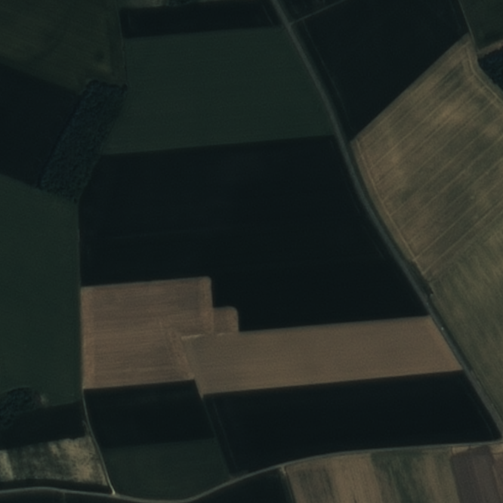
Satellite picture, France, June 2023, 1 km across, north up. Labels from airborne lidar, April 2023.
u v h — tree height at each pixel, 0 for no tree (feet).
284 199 0
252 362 0
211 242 0
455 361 0
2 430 0
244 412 0
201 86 0
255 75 0
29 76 0
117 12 0
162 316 0
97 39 0
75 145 62
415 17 0
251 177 0
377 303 0
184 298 0
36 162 0
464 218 0
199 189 0
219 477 0
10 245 0
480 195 0
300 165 0
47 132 0
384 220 0
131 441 0
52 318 0
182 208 0
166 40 0
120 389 0
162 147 0
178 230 0
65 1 0
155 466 0
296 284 0
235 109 0
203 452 0
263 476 0
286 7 0
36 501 0
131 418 0
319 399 0
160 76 0
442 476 0
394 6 0
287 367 0
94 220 0
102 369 0
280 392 0
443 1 0
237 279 0
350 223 0
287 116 0
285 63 0
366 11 0
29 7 0
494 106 0
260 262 0
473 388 0
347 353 0
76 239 0
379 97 0
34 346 0
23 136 0
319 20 0
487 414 0
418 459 0
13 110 0
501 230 0
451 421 0
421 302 0
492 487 0
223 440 0
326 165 0
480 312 0
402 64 0
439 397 0
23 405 23
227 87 0
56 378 0
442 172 0
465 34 0
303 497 0
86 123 64
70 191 39
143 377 0
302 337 0
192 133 0
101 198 0
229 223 0
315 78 0
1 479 0
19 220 0
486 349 0
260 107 0
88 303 0
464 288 0
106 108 53
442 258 0
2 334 0
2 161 0
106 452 0
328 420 0
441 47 0
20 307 0
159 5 0
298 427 0
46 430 0
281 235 0
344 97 0
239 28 0
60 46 0
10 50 0
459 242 0
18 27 0
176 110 0
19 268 0
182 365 0
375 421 0
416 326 0
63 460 0
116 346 0
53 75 0
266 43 0
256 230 0
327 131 0
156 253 0
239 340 0
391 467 0
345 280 0
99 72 0
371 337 0
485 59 24
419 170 0
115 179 0
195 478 0
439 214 0
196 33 0
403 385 0
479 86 0
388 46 0
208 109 0
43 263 0
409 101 0
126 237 0
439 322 0
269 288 0
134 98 0
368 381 0
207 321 0
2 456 0
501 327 0
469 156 0
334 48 0
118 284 0
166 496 0
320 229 0
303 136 0
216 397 0
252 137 0
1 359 0
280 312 0
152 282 0
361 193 0
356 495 0
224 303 0
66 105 0
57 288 0
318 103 0
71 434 0
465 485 0
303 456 0
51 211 0
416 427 0
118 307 0
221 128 0
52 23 0
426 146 0
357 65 0
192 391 0
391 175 0
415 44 0
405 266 0
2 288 0
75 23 0
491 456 0
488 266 0
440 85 0
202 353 0
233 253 0
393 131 0
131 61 0
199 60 0
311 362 0
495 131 0
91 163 42
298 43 0
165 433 0
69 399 0
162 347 0
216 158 0
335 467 0
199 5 0
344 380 0
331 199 0
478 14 0
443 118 0
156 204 0
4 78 0
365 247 0
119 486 0
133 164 0
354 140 0
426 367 0
